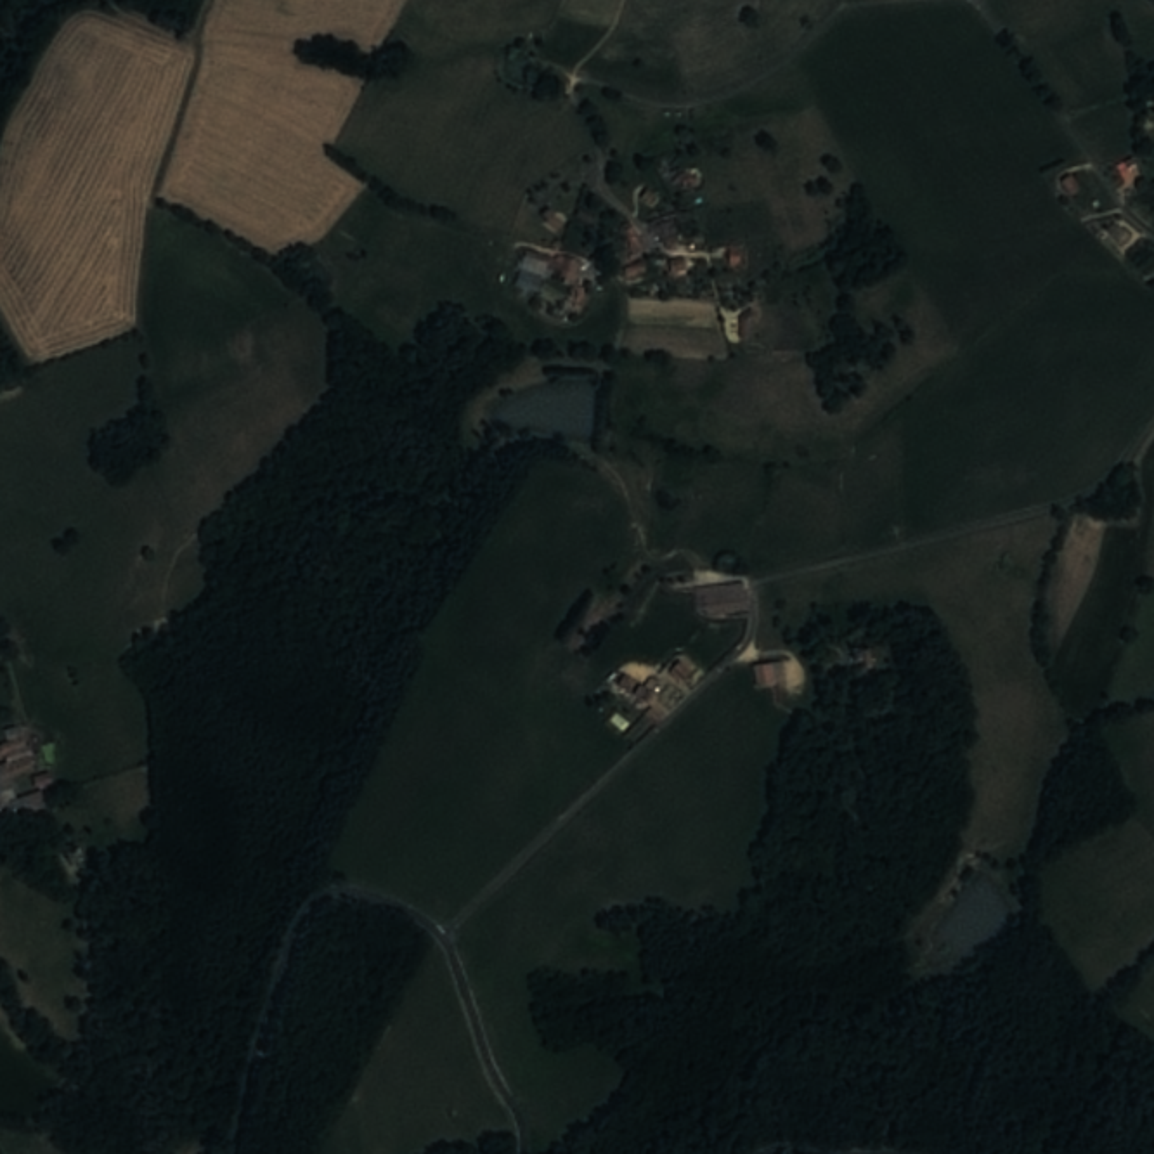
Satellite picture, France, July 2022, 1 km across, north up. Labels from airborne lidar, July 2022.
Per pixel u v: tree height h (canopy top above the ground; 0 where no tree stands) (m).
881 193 0
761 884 15
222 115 0
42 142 0
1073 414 0
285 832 15
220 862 22
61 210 0
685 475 0
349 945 18
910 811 20
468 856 0
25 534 0
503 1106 0
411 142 0
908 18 0
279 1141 16
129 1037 22
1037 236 0
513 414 0
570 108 0
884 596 0
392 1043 0
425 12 0
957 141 0
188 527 0
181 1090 28
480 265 0
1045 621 20
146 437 18
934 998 15
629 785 0
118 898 20
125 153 0
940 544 0
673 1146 28
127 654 7
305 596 14
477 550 17
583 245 7
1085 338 0
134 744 0
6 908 0
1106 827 20
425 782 0
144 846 11
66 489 0
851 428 0
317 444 20
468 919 0
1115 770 25
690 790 0
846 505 0
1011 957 20
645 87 0
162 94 0
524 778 0
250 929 18
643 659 0
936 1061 19
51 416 0
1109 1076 19
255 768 22
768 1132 19
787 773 18
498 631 0
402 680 19
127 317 0
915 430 0
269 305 0
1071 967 16
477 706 0
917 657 21
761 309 0
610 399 20
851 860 15
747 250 0
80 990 0
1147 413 0
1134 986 15
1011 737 0
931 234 0
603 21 0
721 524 0
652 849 0
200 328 0
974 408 0
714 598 0
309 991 14
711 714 0
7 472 0
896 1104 19
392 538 15
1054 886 0
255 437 0
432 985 0
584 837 0
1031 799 0
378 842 0
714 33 0
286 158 0
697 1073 19
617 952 0
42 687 0
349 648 21
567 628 17
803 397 0
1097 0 0
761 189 0
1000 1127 28
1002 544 0
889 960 19
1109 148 0
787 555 0
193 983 22
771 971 18
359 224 0
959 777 18
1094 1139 27
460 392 17
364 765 19
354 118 0
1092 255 0
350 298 0
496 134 0
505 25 0
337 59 19
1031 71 19
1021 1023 17
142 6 9
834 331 11
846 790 22
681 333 0
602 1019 11
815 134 0
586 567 0
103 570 0
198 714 19
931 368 0
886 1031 28
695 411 0
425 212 11
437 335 25
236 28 0
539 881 0
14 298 0
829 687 20
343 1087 14
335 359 16
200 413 0
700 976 21
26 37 18
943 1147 17
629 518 0
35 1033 15
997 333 0
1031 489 0
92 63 0
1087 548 0
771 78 0
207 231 9
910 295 0
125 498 0
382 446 24
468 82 0
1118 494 16
